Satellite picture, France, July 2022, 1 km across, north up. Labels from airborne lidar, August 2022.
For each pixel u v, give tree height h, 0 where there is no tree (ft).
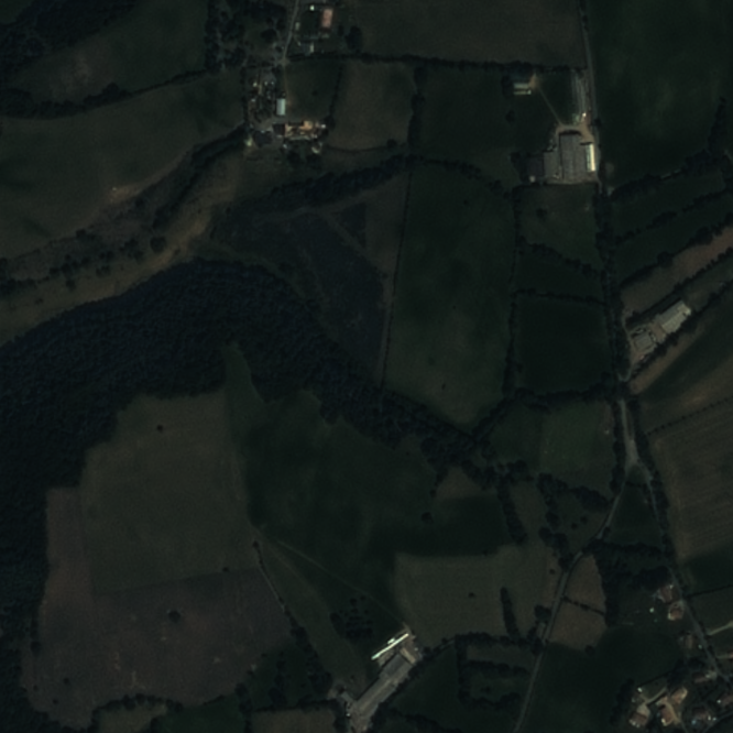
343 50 0
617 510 0
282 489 0
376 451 0
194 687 0
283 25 49
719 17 0
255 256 0
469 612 0
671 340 44
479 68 39
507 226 0
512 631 52
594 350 0
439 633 0
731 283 26
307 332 100
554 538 68
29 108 37
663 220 50
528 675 39
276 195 21
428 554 0
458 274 0
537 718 0
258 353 54
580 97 0
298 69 0
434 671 0
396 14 0
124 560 0
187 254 0
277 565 0
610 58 0
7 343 0
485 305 0
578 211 0
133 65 0
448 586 0
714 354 0
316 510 0
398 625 0
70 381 64
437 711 0
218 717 0
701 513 0
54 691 0
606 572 64
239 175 0
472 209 0
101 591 0
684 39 0
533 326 0
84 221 0
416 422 74
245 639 0
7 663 46
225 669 0
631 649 0
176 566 0
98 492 0
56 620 0
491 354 0
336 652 0
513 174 0
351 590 0
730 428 0
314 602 0
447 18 0
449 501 0
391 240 0
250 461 0
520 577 0
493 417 45
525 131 0
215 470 0
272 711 29
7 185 0
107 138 0
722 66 0
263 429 0
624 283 27
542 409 54
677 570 46
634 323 34
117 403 37
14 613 51
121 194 0
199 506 0
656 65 0
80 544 0
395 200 0
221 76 0
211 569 0
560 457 0
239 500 0
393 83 0
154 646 0
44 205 0
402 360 0
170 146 0
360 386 72
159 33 0
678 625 0
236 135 50
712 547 0
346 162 0
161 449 0
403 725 0
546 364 0
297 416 0
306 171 0
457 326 0
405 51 0
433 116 0
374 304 0
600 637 0
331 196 63
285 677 55
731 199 0
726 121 46
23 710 38
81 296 0
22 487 56
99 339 54
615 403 38
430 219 0
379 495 0
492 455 75
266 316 69
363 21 0
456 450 77
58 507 0
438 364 0
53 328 63
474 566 0
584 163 0
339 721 38
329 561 0
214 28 82
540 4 0
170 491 0
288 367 39
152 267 0
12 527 63
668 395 0
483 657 0
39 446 73
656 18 0
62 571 0
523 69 63
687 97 0
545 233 0
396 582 0
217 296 55
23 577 81
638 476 0
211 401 0
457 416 0
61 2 61
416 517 0
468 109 0
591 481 0
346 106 0
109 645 0
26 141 0
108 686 0
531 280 0
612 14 0
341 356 27
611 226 40
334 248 0
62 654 0
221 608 0
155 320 80
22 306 0
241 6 40
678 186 0
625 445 34
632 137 0
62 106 24
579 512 0
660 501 54
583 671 0
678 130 0
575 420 0
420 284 0
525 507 0
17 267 0
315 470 0
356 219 0
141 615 0
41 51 76
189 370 66
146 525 0
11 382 73
